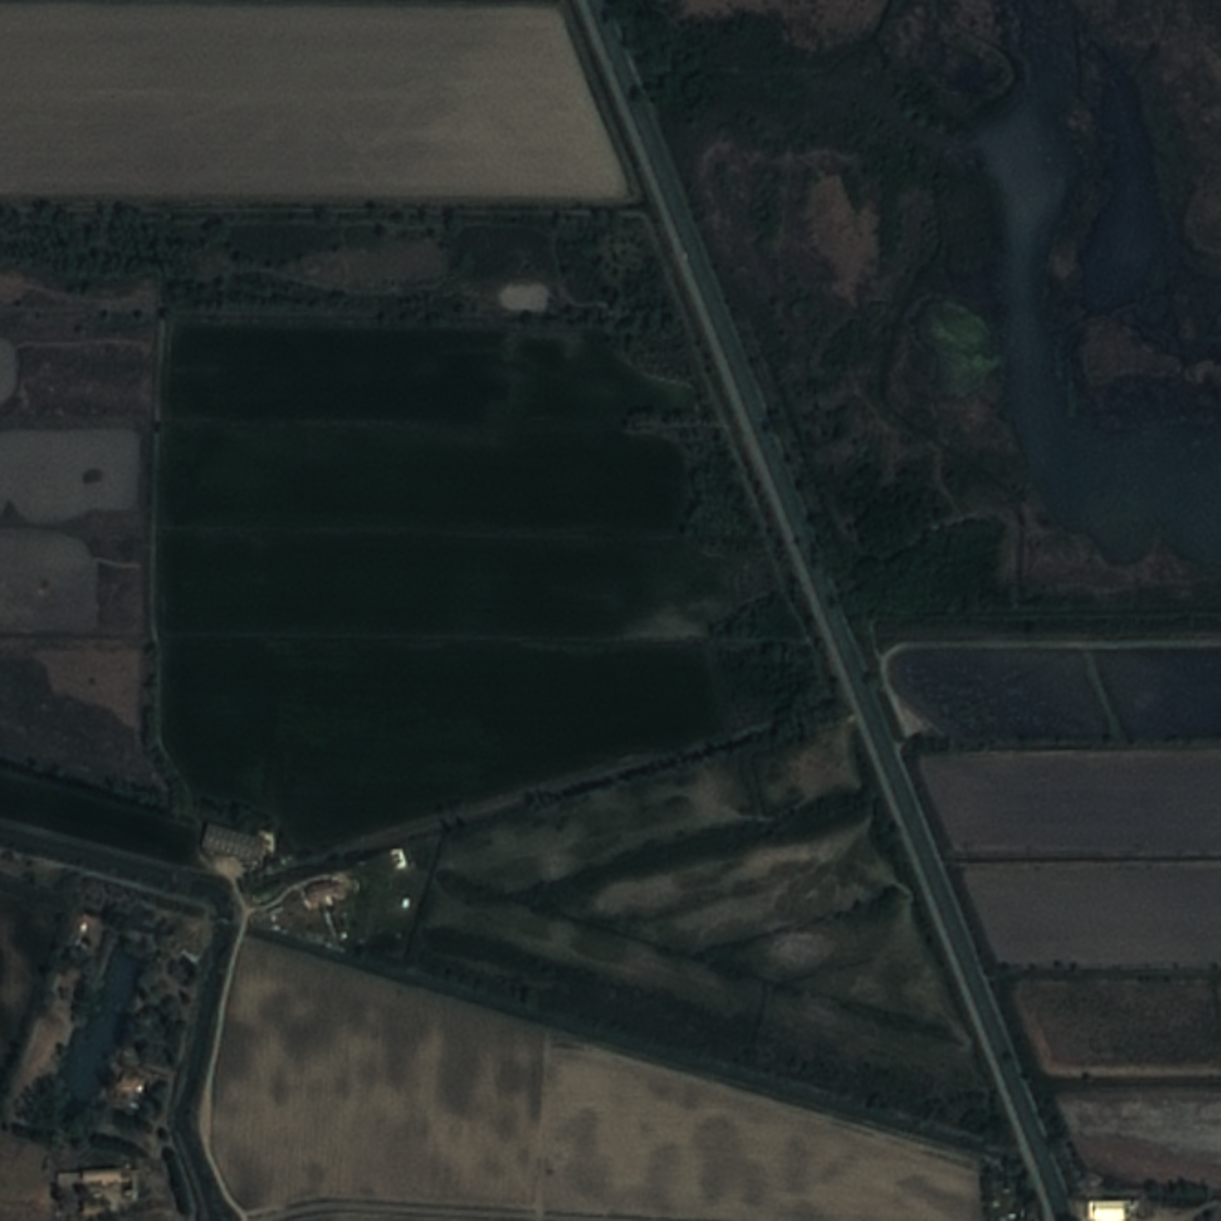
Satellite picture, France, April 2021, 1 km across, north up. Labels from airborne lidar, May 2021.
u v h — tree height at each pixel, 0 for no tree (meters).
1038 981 0
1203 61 0
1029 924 0
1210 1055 0
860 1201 0
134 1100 0
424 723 0
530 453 0
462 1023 0
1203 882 0
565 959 0
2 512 0
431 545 0
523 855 0
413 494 0
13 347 0
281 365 0
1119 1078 0
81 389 0
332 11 0
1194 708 0
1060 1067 0
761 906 0
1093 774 0
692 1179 0
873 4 0
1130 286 0
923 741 11
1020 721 0
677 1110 0
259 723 0
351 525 0
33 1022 7
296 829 0
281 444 0
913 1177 0
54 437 0
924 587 9
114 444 0
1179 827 0
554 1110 0
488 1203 0
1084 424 0
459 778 0
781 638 8
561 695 0
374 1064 0
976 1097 8
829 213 0
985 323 0
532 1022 0
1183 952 0
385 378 0
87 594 0
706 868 0
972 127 0
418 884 0
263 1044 0
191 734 0
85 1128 14
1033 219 0
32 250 13
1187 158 0
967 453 0
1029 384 0
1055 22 0
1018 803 0
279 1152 0
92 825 0
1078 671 0
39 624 0
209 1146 0
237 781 0
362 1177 0
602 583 0
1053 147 0
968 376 0
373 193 0
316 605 0
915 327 0
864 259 0
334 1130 0
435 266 0
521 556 0
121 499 0
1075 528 0
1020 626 6
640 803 0
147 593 0
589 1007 0
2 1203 0
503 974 0
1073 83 0
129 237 13
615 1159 0
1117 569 0
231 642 0
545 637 0
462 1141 0
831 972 0
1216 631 7
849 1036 0
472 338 0
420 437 0
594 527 0
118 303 0
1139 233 0
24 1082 0
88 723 0
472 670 0
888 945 0
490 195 0
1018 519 0
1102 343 0
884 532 9
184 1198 14
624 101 0
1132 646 0
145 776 0
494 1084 0
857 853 0
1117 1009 0
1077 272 0
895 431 0
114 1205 0
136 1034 12
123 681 0
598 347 0
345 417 0
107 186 0
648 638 0
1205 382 0
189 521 0
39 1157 0
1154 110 0
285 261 8
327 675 0
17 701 0
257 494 0
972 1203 0
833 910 0
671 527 0
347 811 0
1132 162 0
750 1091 0
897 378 0
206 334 0
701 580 0
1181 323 0
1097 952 0
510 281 0
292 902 0
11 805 0
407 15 0
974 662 0
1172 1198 7
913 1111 5
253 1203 0
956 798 0
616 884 0
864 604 10
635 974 0
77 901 10
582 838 0
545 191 0
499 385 0
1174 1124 0
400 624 0
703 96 8
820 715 22
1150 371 0
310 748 0
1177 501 0
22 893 6
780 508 0
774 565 5
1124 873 0
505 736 0
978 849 0
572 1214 0
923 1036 0
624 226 7
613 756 0
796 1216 0
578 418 0
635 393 0
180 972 13
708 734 0
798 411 8
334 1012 0
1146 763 0
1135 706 0
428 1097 0
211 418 0
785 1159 0
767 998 0
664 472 0
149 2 0
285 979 0
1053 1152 10
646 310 13
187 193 0
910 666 0
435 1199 0
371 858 7
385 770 0
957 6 0
